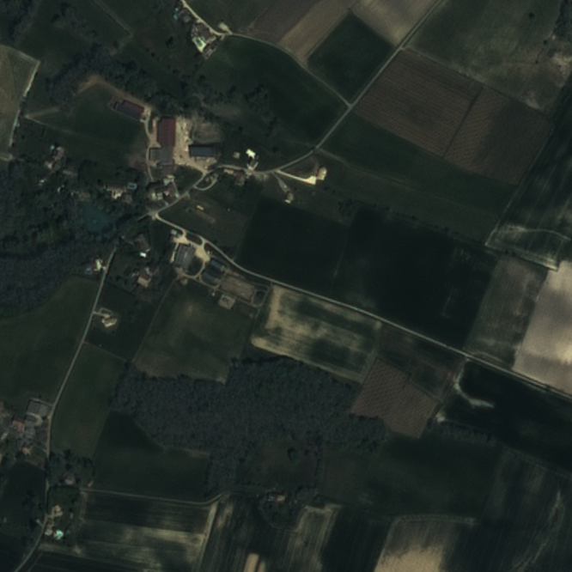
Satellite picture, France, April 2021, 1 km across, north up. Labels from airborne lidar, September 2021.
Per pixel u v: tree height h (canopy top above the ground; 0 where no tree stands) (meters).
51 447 0
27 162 7
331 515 0
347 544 0
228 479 18
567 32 10
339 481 0
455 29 0
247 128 0
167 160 0
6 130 0
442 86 0
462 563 0
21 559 0
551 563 0
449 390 0
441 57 0
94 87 0
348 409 16
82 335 0
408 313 0
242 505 0
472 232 0
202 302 0
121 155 0
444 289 0
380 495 0
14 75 0
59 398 0
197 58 10
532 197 0
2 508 0
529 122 0
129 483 0
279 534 0
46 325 0
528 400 0
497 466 0
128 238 12
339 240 0
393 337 0
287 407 21
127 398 16
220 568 0
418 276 0
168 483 0
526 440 0
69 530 6
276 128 17
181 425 20
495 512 0
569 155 0
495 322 0
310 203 0
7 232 24
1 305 20
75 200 12
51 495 7
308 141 0
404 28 0
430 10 0
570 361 0
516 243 0
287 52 0
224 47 0
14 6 22
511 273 0
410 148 0
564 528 0
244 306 0
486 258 0
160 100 16
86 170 10
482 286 0
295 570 0
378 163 0
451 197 0
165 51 0
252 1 0
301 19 0
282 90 0
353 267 0
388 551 0
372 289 0
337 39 0
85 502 0
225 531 0
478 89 0
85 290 0
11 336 0
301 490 10
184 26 7
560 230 0
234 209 0
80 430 0
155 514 0
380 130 0
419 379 0
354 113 0
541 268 0
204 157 0
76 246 21
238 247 0
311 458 10
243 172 5
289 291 0
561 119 0
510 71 0
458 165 0
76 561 0
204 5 0
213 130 0
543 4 0
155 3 14
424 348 0
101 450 0
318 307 0
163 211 0
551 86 0
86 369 0
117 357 0
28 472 0
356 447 17
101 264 6
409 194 0
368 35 0
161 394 18
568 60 0
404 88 0
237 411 19
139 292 12
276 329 0
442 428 12
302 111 0
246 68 0
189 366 0
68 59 0
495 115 0
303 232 0
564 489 0
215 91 11
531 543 0
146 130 0
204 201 0
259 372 21
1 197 18
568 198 0
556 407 0
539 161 0
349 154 0
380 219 0
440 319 0
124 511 0
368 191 0
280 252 0
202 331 0
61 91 16
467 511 0
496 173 0
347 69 0
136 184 12
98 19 0
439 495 0
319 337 0
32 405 0
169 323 0
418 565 0
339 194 6
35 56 0
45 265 22
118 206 15
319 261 0
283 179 0
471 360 0
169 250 11
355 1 0
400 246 0
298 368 18
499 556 0
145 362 0
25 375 0
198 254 0
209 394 19
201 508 0
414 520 0
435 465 0
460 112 0
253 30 0
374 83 0
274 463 0
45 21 0
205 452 16
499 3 0
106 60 23
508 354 0
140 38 0
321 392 19
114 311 0
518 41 0
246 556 0
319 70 0
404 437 0
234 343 0
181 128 0
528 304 0
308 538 0
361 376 0
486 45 0
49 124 0
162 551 0
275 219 0
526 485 0
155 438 15
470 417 0
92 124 0
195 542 0
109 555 0
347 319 0
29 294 16
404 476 0
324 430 20
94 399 0
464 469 0
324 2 0
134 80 23
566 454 0
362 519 0
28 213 7
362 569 0
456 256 0
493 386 0
